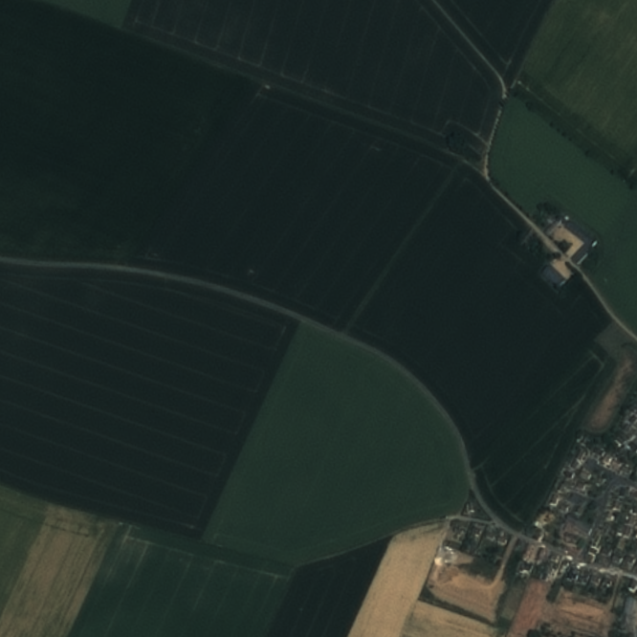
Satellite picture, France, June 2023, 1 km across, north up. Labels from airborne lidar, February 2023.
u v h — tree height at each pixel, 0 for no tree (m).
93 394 0
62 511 0
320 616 0
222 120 0
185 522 0
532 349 0
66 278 0
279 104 0
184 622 0
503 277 0
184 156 0
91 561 0
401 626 0
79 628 0
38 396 0
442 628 0
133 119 0
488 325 0
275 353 0
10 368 0
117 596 0
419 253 0
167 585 0
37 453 0
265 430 0
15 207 0
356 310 0
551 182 0
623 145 0
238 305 0
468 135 0
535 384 0
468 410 0
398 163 0
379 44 0
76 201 0
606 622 0
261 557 0
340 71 0
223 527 0
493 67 0
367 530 0
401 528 0
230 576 0
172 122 0
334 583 0
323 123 0
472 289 0
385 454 0
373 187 0
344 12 0
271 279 0
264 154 0
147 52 0
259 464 0
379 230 0
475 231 0
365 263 0
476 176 0
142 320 0
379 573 0
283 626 0
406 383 0
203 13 0
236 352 0
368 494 0
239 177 0
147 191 0
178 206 0
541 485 0
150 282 0
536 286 0
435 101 0
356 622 0
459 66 0
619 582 0
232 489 0
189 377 0
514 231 0
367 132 0
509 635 0
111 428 0
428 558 0
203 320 0
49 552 0
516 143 0
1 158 0
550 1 0
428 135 0
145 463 0
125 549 0
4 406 0
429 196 0
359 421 0
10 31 0
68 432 0
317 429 0
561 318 0
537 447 0
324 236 0
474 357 0
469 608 0
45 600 0
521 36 0
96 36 0
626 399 0
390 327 0
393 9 0
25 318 0
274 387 0
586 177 0
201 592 0
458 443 0
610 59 0
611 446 7
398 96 0
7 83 0
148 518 0
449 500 0
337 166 0
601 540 0
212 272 0
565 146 0
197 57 0
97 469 0
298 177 0
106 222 0
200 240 0
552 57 0
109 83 0
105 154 0
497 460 0
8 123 0
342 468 0
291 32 0
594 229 0
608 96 0
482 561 0
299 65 0
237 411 0
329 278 0
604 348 0
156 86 0
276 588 0
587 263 12
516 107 0
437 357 0
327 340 0
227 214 0
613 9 0
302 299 0
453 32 0
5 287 0
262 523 0
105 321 0
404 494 0
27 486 0
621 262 0
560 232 0
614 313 0
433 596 0
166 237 0
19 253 0
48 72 0
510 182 0
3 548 0
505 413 0
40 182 0
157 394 0
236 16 0
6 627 0
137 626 0
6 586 0
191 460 0
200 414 0
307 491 0
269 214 0
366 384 0
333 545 0
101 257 0
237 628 0
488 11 0
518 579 0
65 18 0
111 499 0
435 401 0
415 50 0
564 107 0
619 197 0
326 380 0
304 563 0
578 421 0
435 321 0
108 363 0
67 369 0
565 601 0
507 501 0
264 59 0
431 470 0
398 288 0
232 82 0
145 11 0
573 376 0
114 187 0
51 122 0
